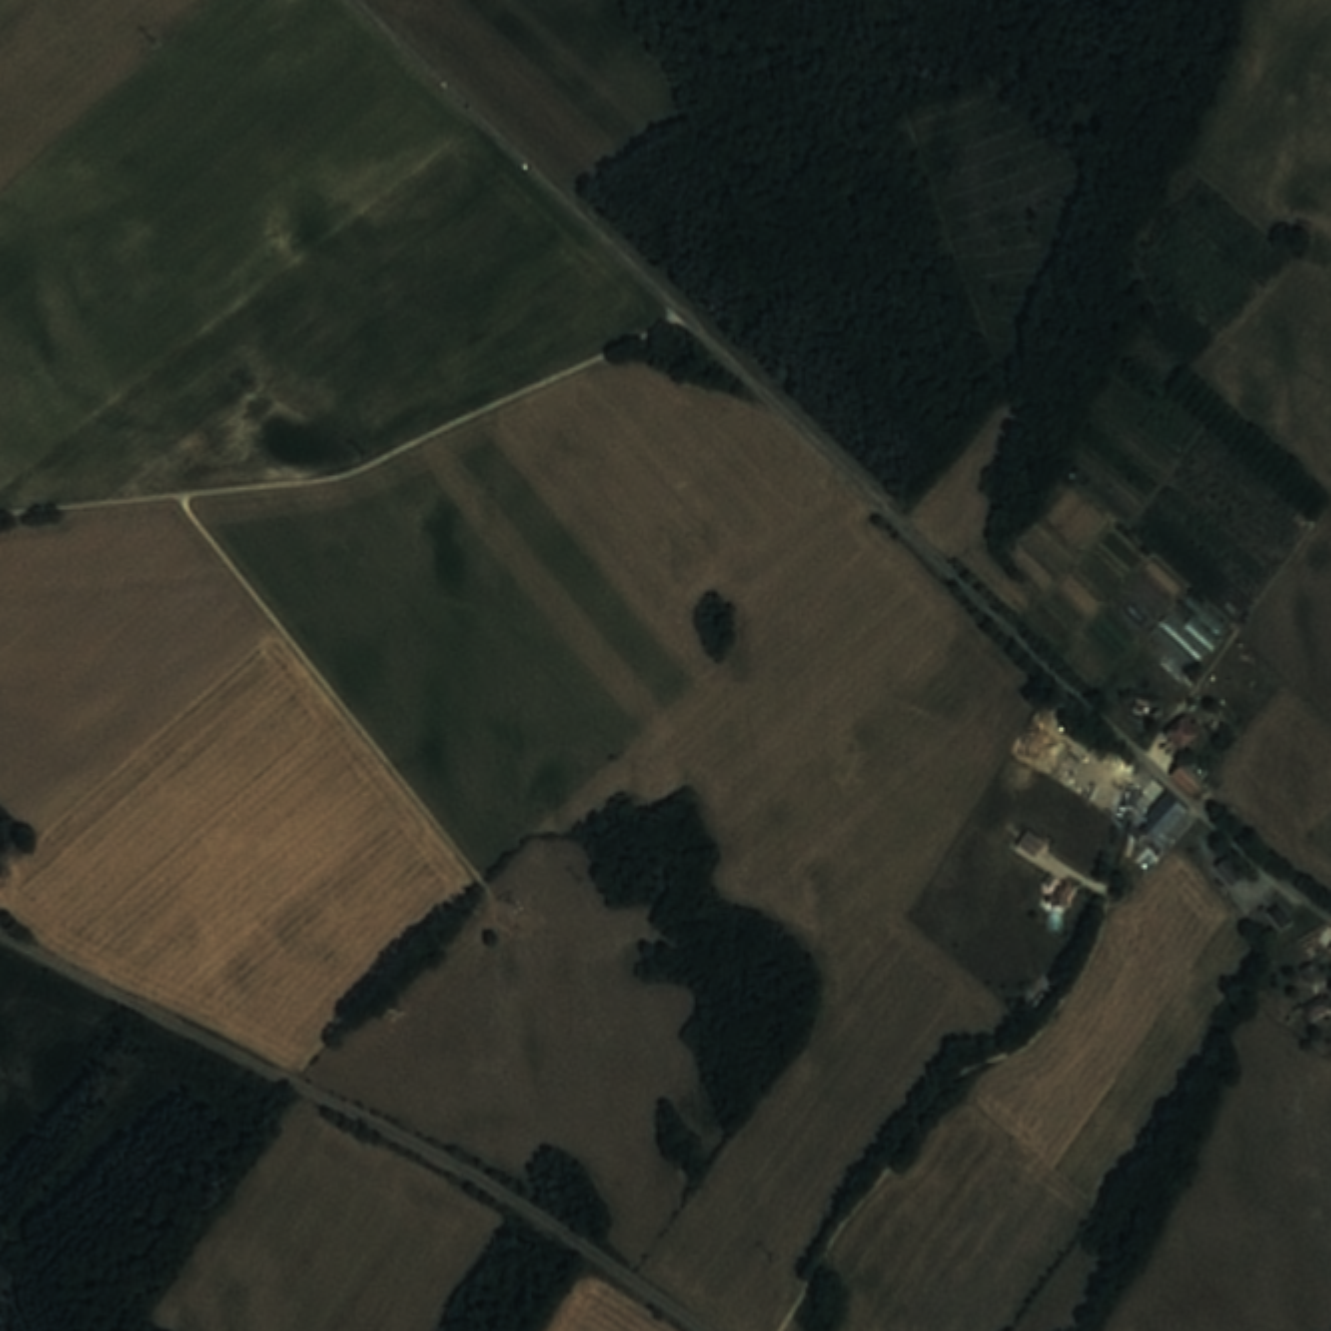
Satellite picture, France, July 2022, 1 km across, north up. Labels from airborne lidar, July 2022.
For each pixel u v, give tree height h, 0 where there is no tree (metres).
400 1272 0
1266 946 17
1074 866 0
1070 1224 0
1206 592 6
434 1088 0
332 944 0
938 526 0
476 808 0
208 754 0
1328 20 0
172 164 0
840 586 0
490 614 0
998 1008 0
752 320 9
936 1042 0
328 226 0
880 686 0
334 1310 0
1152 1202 19
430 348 0
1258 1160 0
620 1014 0
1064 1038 0
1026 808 0
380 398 0
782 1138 0
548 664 0
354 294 0
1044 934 0
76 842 0
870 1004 0
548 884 0
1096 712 17
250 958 0
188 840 0
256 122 0
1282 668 0
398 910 0
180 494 0
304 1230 0
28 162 0
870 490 0
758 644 0
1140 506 0
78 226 0
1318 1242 0
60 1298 18
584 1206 18
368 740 0
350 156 0
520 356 0
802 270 18
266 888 0
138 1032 7
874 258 18
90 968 0
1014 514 13
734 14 19
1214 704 13
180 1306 0
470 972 0
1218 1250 0
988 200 0
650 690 0
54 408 0
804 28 16
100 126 0
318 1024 0
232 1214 0
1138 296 19
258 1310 0
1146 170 25
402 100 0
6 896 0
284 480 0
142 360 0
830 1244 8
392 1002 21
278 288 0
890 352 17
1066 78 23
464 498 0
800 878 0
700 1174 15
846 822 0
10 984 0
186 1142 13
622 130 0
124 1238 22
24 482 0
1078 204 16
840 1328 18
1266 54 0
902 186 21
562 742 0
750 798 0
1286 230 10
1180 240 6
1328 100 0
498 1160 0
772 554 0
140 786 0
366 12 0
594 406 0
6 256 0
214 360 0
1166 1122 19
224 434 0
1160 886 0
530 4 0
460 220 0
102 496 0
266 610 0
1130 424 0
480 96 0
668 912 15
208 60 0
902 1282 0
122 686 0
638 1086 0
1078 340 22
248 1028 0
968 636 0
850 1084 0
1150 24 18
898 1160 15
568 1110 0
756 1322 0
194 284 0
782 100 14
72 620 0
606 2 0
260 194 0
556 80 0
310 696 0
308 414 0
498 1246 8
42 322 0
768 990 21
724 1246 0
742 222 20
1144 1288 0
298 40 0
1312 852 0
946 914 0
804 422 0
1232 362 0
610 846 16
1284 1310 0
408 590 0
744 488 0
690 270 21
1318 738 0
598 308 0
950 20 12
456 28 0
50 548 0
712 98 16
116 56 0
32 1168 18
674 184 16
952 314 16
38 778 0
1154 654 0
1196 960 0
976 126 0
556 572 0
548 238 0
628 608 0
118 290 0
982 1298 0
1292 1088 0
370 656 0
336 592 0
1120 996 0
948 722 0
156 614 0
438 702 0
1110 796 0
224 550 0
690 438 0
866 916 0
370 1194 0
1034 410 22
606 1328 0
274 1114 12
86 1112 17
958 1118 0
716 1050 19
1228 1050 20
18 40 0
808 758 0
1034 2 10
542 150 0
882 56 10
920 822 0
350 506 0
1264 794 0
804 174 17
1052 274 13
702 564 0
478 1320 13
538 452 0
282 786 0
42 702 0
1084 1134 0
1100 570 0
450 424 0
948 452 17
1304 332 0
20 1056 0
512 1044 0
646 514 0
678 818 17
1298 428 0
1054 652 22
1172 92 21
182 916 0
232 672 0
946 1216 0
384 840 0
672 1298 0
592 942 0
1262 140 0
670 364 13
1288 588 0
